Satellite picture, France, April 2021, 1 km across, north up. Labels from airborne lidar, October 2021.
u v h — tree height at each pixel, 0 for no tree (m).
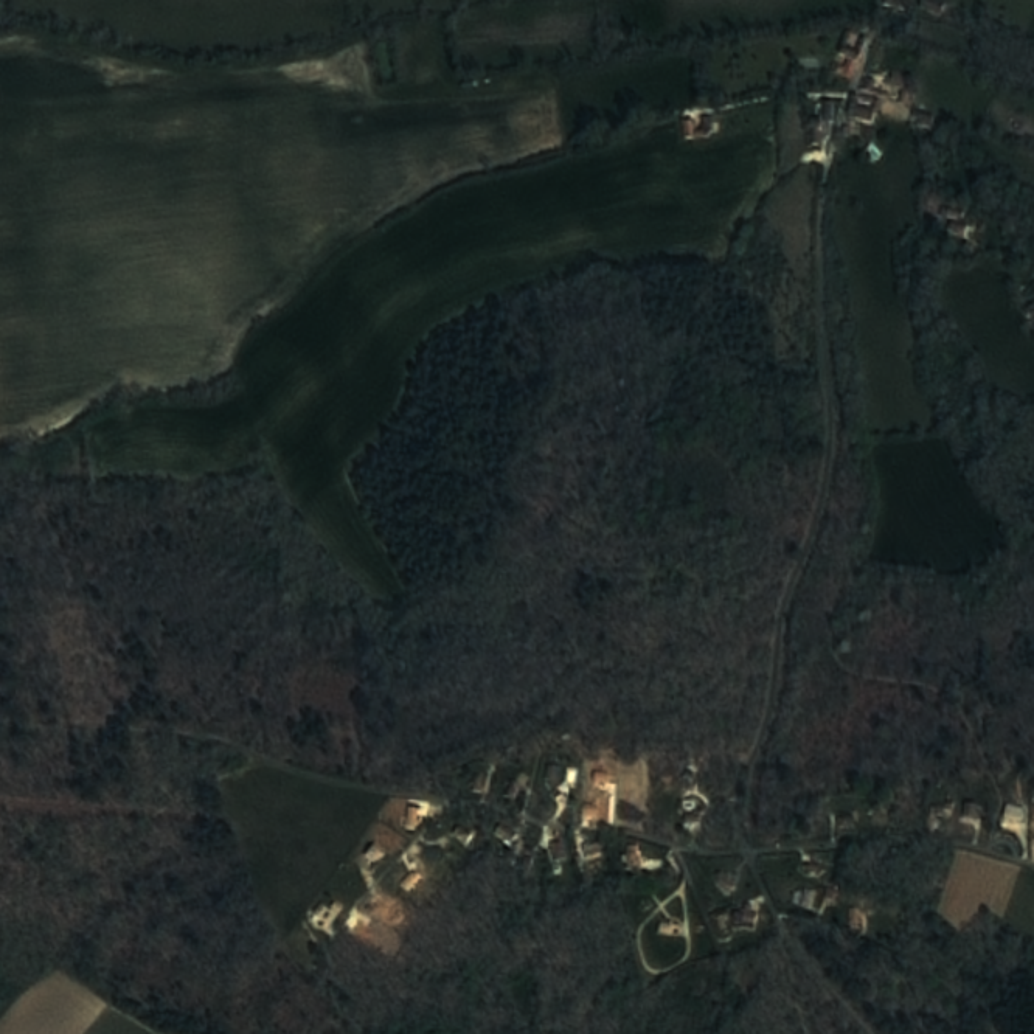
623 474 16
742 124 0
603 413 15
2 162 0
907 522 0
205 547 10
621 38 12
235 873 16
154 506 12
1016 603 9
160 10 0
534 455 12
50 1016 0
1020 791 0
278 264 0
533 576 15
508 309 14
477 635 16
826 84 8
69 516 12
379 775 16
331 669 6
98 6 0
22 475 17
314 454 0
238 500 20
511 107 0
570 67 9
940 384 10
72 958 20
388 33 15
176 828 20
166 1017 14
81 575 10
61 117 0
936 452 0
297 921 0
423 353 9
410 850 0
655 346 19
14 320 0
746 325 14
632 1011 16
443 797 12
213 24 0
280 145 0
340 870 0
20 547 17
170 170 0
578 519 18
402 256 0
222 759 10
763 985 18
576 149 6
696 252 0
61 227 0
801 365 11
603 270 23
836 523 13
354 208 0
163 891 15
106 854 22
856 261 0
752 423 21
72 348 0
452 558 19
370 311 0
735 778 15
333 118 0
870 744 10
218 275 0
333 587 23
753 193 0
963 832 0
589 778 0
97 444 0
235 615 12
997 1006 17
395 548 14
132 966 10
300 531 24
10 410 0
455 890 18
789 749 10
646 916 0
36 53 0
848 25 18
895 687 6
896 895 21
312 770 8
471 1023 20
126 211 0
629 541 19
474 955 22
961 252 12
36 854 25
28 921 19
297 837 0
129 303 0
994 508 15
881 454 0
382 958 20
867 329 0
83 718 0
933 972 18
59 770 14
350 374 0
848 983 29
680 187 0
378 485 12
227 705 9
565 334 20
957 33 8
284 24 0
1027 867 0
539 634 17
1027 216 14
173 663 12
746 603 12
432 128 0
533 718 11
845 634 12
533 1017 7
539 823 16
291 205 0
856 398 15
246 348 0
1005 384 0
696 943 0
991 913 13
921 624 10
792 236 0
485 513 12
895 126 0
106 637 9
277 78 0
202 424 0
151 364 0
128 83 0
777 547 10
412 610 21
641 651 15
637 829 0
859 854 19
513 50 0
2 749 20
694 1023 8
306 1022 9
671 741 16
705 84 12
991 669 6
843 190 0
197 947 25
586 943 17
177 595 10
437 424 13
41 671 17
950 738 12
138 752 14
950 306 0
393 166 0
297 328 0
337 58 0
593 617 22
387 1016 21
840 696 7
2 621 27
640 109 23
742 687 18
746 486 19
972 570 14
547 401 20
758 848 0
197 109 0
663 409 18
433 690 18
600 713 19
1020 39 13
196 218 0
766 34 21
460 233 0
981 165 11
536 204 0
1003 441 20
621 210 0
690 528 17
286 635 22
